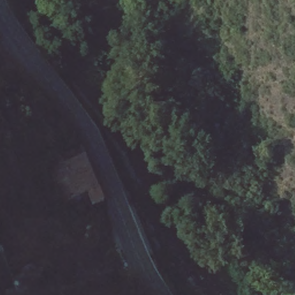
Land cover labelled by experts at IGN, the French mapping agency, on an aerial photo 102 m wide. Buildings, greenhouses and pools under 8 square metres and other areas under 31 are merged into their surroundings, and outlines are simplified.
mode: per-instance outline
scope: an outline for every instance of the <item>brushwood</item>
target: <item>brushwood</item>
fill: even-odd
[[[161,27],[165,29],[162,40],[167,54],[167,67],[162,91],[167,91],[169,96],[179,100],[183,114],[206,124],[206,133],[209,134],[207,137],[210,138],[212,149],[217,152],[221,171],[228,176],[235,172],[239,173],[239,176],[244,175],[243,167],[249,166],[250,162],[255,160],[252,146],[264,141],[267,135],[275,139],[266,146],[272,157],[266,164],[268,174],[262,184],[263,194],[268,197],[264,204],[266,211],[259,212],[254,206],[235,215],[243,221],[243,225],[250,228],[257,239],[255,247],[249,250],[248,262],[256,260],[257,263],[270,267],[272,281],[295,282],[295,188],[286,190],[285,197],[280,198],[274,177],[282,174],[285,161],[295,168],[295,151],[294,135],[283,129],[277,121],[266,118],[264,112],[260,111],[260,84],[254,75],[258,67],[270,65],[272,60],[281,59],[285,55],[287,62],[295,62],[295,0],[144,0],[144,12],[157,15]]]
[[[281,81],[282,91],[289,97],[295,97],[295,63],[292,68],[285,67],[282,70],[286,80]]]
[[[123,10],[120,7],[120,0],[88,0],[89,8],[92,9],[89,15],[93,32],[85,37],[86,44],[88,47],[104,47],[106,51],[111,51],[107,41],[108,32],[119,29],[122,23]]]

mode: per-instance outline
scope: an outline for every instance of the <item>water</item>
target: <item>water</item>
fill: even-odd
[[[176,250],[174,241],[164,234],[164,230],[157,228],[151,213],[142,209],[141,194],[145,176],[138,172],[126,154],[116,149],[111,153],[116,172],[127,192],[128,201],[141,222],[151,256],[165,280],[164,285],[173,295],[217,295],[213,293],[218,287],[214,278],[219,273],[195,270],[192,266],[194,259],[190,258],[189,250]]]

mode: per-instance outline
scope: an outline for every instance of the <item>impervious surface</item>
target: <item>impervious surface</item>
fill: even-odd
[[[6,0],[0,0],[0,32],[5,50],[23,63],[25,70],[22,75],[30,75],[36,85],[56,94],[55,101],[62,115],[67,116],[73,123],[76,133],[83,133],[84,141],[90,144],[91,150],[86,152],[93,173],[103,190],[104,199],[108,203],[108,214],[114,221],[113,236],[123,266],[134,268],[134,271],[141,275],[141,286],[149,290],[150,295],[173,295],[164,285],[165,280],[151,256],[141,222],[128,201],[127,192],[116,172],[111,153],[116,149],[108,142],[103,123],[98,116],[86,107],[83,97],[88,96],[81,82],[68,82],[59,70],[53,67],[52,62],[45,59],[46,50],[36,44],[30,21],[24,25],[18,23],[16,16],[10,12]]]

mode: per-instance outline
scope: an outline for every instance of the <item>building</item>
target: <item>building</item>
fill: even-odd
[[[66,160],[66,176],[63,177],[63,183],[73,192],[74,198],[84,197],[86,202],[91,201],[92,204],[104,199],[103,190],[93,173],[86,152]]]

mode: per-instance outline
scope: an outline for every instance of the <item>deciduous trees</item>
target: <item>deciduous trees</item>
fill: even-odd
[[[89,8],[88,0],[6,0],[10,12],[16,16],[18,23],[24,25],[30,21],[36,44],[46,50],[45,59],[52,62],[53,67],[59,70],[68,82],[81,82],[88,96],[83,97],[86,107],[98,116],[103,123],[108,142],[116,149],[126,154],[138,172],[145,176],[141,194],[142,209],[151,213],[157,228],[164,230],[164,234],[174,241],[176,250],[189,250],[190,258],[194,259],[192,266],[195,270],[219,273],[214,278],[218,287],[213,293],[217,295],[295,295],[295,282],[272,281],[270,267],[257,263],[256,260],[248,262],[249,250],[255,247],[257,239],[250,228],[243,225],[243,221],[235,215],[254,206],[259,212],[266,211],[264,204],[268,197],[263,194],[262,184],[268,174],[266,164],[272,157],[266,146],[275,139],[267,135],[264,141],[252,146],[255,160],[250,162],[249,166],[243,167],[244,175],[239,176],[239,173],[235,172],[228,176],[221,171],[217,152],[212,149],[210,138],[207,137],[209,134],[206,133],[206,124],[183,114],[179,100],[169,96],[167,91],[162,91],[167,67],[167,54],[162,40],[165,29],[161,27],[157,15],[144,12],[144,0],[120,0],[120,7],[123,10],[122,23],[119,29],[108,32],[107,41],[111,51],[106,51],[104,47],[88,47],[86,44],[85,37],[93,32],[89,15],[92,9]]]
[[[14,265],[13,271],[2,274],[3,279],[8,280],[12,295],[150,295],[149,290],[141,286],[141,275],[134,271],[134,268],[123,266],[113,236],[114,221],[108,214],[108,203],[104,199],[92,204],[91,201],[86,202],[84,197],[74,198],[73,192],[63,183],[63,177],[66,176],[66,160],[86,152],[91,150],[90,144],[84,141],[83,133],[76,133],[73,123],[67,116],[62,115],[55,101],[56,94],[36,85],[30,75],[22,75],[25,70],[23,63],[5,50],[0,32],[0,237],[5,241],[10,262]]]

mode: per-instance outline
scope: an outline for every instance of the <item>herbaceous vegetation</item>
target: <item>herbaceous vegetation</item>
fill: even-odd
[[[14,265],[10,262],[5,241],[0,237],[0,295],[12,295],[8,280],[3,279],[2,274],[13,271]]]
[[[280,198],[285,197],[286,190],[295,188],[295,168],[285,161],[282,174],[274,177]]]
[[[295,62],[287,62],[285,55],[281,59],[272,60],[270,65],[258,67],[254,75],[260,84],[260,111],[264,112],[266,118],[277,121],[283,129],[294,135],[295,151],[295,97],[289,97],[282,91],[281,81],[286,80],[282,70],[285,67],[292,68],[295,63]]]

